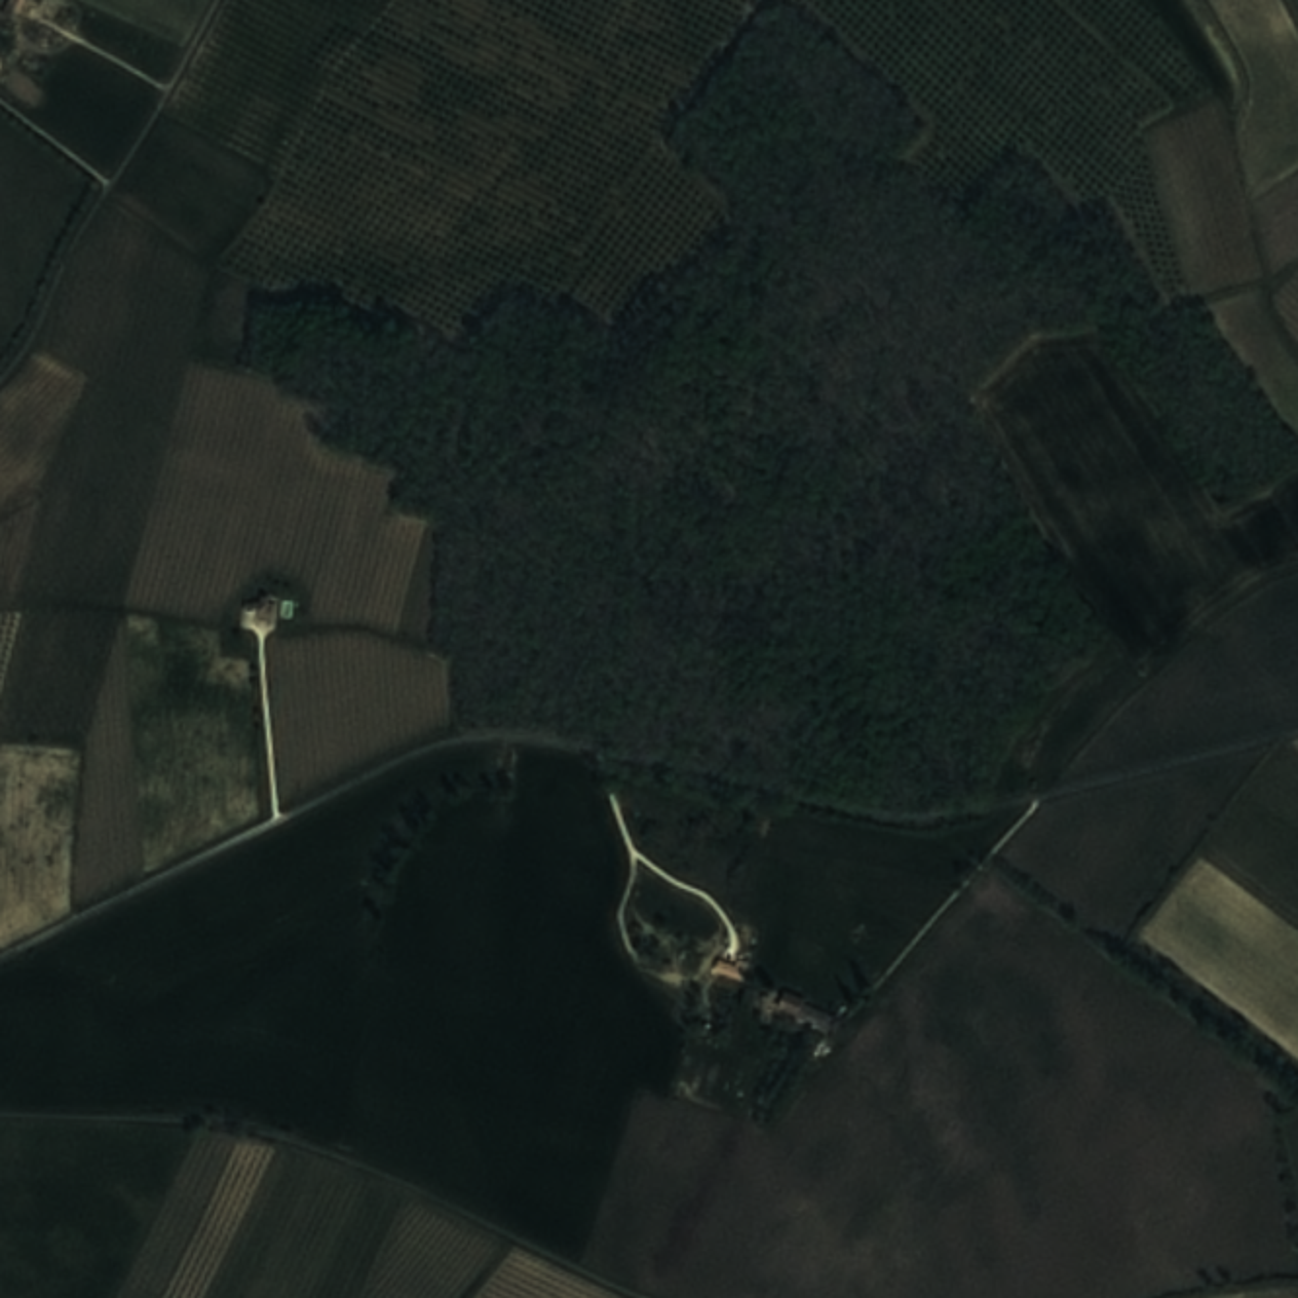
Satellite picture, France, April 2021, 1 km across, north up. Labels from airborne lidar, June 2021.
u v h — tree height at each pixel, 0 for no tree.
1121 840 0
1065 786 0
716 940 0
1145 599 0
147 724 0
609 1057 0
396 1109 0
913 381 16
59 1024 0
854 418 15
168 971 0
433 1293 0
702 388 13
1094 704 0
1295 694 0
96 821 0
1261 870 0
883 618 21
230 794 0
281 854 0
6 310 0
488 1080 0
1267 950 0
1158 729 0
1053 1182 0
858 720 29
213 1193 0
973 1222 0
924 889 0
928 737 21
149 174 0
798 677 21
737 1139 0
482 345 20
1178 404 17
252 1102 0
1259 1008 0
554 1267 0
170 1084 0
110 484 0
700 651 20
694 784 18
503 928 0
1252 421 17
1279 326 0
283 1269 0
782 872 0
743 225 12
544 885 0
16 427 0
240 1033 0
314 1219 0
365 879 0
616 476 20
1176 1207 0
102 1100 0
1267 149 0
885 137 17
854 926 0
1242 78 0
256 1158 0
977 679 22
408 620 0
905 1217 0
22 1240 0
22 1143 0
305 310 15
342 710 0
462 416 12
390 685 0
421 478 15
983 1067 0
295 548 0
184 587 0
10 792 0
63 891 0
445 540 14
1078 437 0
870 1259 0
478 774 0
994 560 15
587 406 20
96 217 0
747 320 18
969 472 16
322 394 19
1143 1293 0
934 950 0
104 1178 0
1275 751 0
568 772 0
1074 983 0
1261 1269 0
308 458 0
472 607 19
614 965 0
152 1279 0
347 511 0
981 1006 0
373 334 20
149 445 0
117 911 0
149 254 0
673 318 22
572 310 18
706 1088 0
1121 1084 0
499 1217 0
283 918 0
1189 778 0
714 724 17
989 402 0
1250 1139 0
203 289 0
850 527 23
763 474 18
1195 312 15
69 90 0
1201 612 0
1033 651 20
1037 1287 0
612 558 19
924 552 14
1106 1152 0
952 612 22
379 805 0
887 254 19
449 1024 0
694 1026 15
